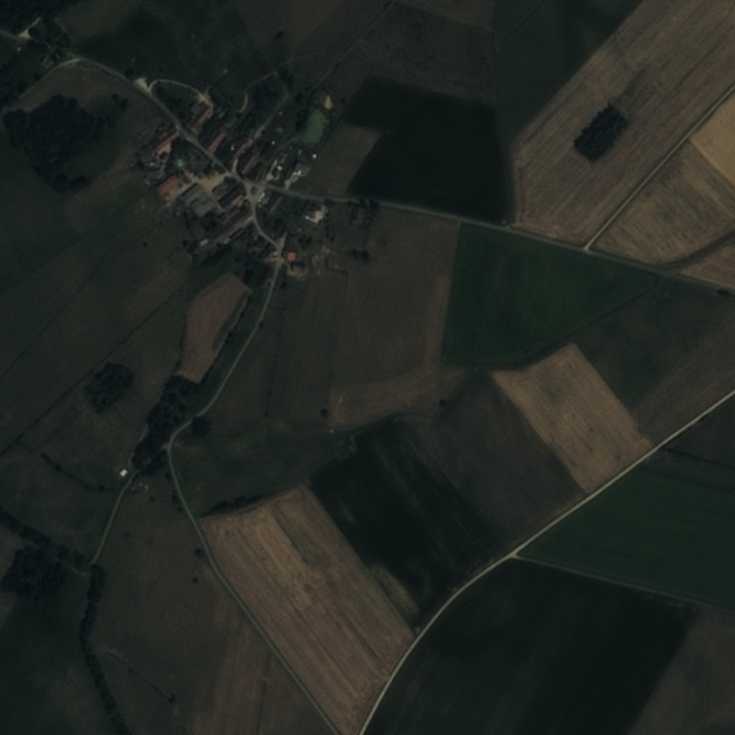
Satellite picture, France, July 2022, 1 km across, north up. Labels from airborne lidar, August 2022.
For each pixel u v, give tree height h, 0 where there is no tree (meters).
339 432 0
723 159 0
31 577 31
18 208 0
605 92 0
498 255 0
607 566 0
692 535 0
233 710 0
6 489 0
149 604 0
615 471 0
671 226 0
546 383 0
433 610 0
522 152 0
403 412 0
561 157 0
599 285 0
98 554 0
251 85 0
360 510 0
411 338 0
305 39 0
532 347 0
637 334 0
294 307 0
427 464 0
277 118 0
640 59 0
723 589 0
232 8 0
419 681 0
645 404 0
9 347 0
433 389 0
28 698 0
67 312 0
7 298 0
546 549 0
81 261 0
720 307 0
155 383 0
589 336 0
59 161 18
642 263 0
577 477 0
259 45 0
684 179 0
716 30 0
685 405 0
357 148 0
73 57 0
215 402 0
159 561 0
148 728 0
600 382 0
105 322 0
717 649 0
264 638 0
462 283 0
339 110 0
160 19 0
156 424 14
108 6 0
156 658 0
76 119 20
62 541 0
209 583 0
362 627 0
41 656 0
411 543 0
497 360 0
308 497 0
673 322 0
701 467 0
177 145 16
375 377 0
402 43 0
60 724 0
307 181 0
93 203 0
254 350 0
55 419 0
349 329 0
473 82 0
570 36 0
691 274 0
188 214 7
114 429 0
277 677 0
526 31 0
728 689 0
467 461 0
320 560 0
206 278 0
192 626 0
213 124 7
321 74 0
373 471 0
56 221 0
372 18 0
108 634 0
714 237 0
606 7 0
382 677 0
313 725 0
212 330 0
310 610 0
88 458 0
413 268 0
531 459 0
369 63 0
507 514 0
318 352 0
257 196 0
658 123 0
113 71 0
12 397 0
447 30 0
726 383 0
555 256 0
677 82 0
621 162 0
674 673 0
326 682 0
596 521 0
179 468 0
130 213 0
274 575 0
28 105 0
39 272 0
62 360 0
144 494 0
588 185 0
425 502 0
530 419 0
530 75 0
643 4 0
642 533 0
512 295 0
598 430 0
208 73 0
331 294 0
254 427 0
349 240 0
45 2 13
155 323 0
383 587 0
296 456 0
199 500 0
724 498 0
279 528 0
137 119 0
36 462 0
